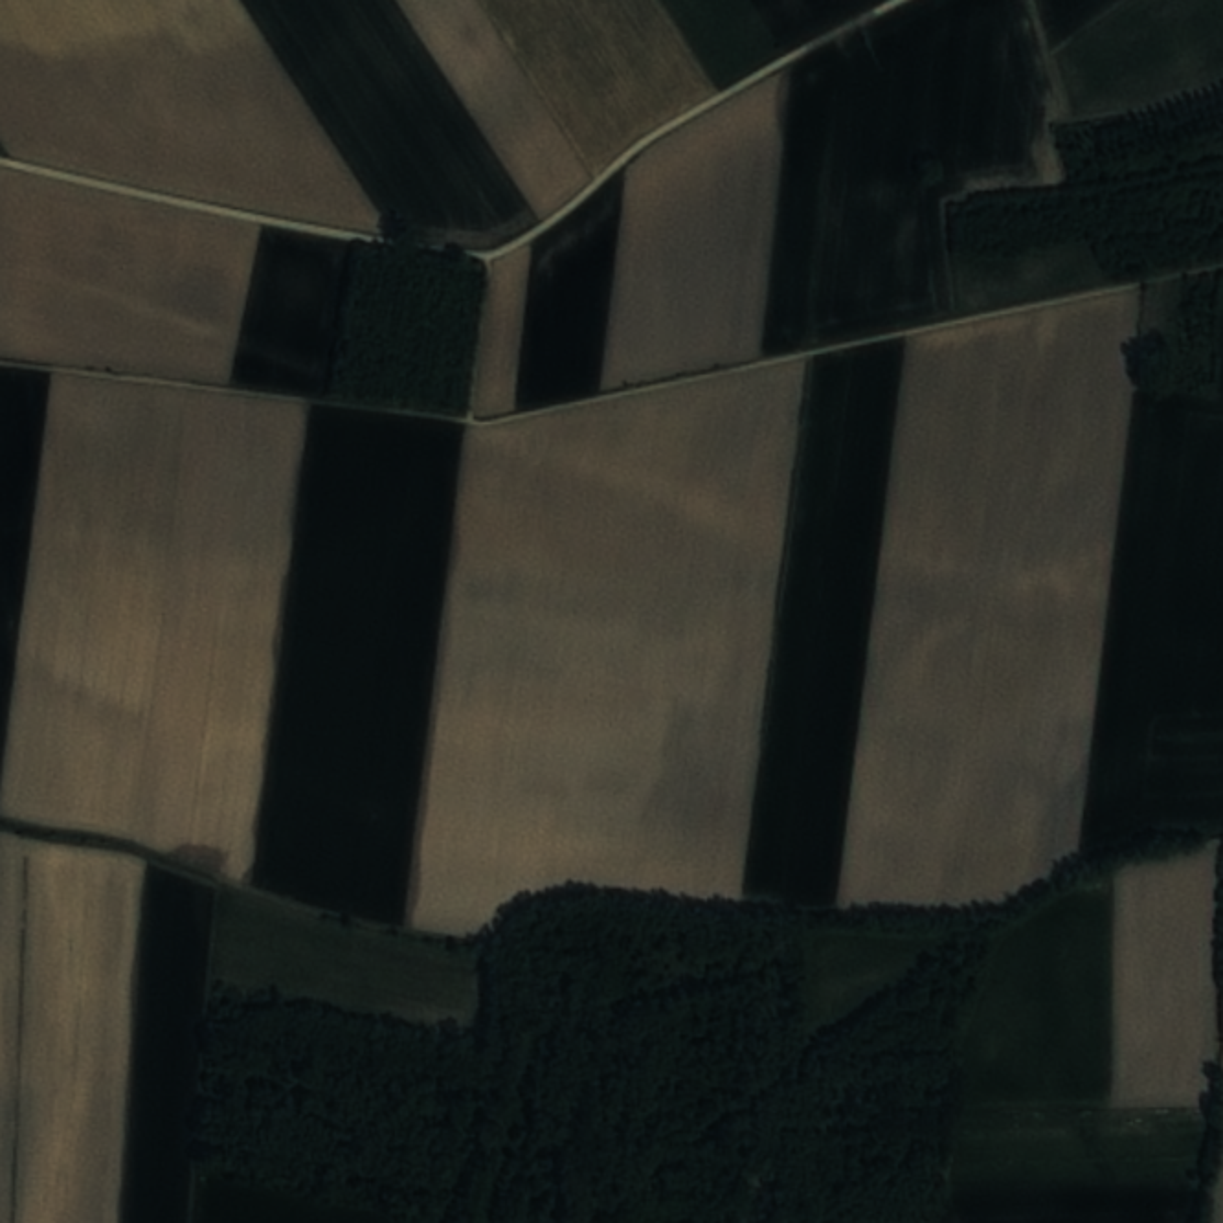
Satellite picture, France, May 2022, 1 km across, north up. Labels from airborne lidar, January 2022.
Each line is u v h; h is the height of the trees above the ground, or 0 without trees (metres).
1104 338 0
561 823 0
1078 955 0
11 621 0
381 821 0
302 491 0
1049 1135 0
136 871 0
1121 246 8
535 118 0
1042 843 0
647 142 0
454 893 0
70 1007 0
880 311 0
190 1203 0
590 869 0
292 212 0
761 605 0
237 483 0
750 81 0
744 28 0
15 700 0
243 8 0
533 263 0
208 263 0
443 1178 22
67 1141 0
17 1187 0
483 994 10
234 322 0
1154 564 0
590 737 0
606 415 0
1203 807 0
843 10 0
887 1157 19
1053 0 0
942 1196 25
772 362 0
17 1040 0
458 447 0
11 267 0
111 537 0
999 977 0
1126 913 0
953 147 0
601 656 0
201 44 0
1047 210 10
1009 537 0
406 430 0
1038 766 0
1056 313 0
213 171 0
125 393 0
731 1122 23
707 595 0
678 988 11
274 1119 25
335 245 0
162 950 0
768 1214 26
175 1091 0
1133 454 0
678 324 0
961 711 0
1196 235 9
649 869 0
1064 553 0
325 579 0
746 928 25
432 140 0
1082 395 0
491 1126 30
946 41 0
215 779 0
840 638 0
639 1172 20
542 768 0
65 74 0
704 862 0
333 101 0
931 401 0
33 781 0
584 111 0
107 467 0
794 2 0
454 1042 28
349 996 0
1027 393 0
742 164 0
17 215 0
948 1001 13
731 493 0
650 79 0
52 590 0
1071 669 0
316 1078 23
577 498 0
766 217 0
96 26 0
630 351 0
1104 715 0
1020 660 0
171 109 0
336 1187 25
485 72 0
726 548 0
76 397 0
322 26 0
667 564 0
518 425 0
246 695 0
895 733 0
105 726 0
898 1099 28
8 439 0
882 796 0
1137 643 0
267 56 0
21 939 0
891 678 0
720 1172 23
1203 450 0
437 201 0
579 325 0
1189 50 0
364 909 0
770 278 0
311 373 0
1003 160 0
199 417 0
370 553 0
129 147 0
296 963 0
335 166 0
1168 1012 0
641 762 0
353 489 0
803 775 0
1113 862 18
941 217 0
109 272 0
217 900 0
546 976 19
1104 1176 0
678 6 0
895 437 0
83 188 0
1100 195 8
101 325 0
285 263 0
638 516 0
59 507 0
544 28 0
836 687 0
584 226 0
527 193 0
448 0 0
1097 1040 0
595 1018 24
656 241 0
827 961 0
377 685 0
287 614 0
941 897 0
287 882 0
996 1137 0
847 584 0
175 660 0
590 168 0
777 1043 19
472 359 10
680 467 0
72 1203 0
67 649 0
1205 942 0
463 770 0
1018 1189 0
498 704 0
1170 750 0
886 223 0
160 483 0
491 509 0
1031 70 0
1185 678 0
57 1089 0
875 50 0
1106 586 0
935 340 0
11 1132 0
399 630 0
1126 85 0
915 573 0
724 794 0
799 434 0
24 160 0
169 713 0
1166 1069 0
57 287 0
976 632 0
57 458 0
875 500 0
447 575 0
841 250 0
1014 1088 0
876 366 0
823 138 0
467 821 0
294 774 0
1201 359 0
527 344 0
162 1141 0
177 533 0
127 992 0
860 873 0
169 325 0
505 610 0
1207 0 0
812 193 0
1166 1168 0
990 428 0
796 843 0
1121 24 0
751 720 0
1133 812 0
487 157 0
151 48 0
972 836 0
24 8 0
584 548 0
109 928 0
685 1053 16
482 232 0
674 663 0
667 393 0
